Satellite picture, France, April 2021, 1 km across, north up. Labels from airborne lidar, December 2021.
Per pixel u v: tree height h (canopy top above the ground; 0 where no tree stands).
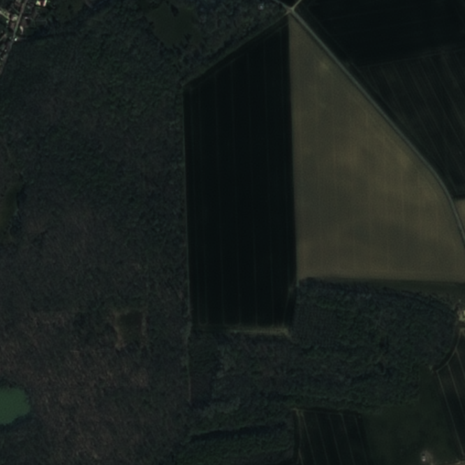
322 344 23
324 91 0
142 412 25
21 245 20
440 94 0
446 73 0
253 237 0
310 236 0
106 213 23
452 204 0
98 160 20
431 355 23
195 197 0
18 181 6
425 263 0
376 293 19
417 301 19
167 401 28
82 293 24
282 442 23
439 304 11
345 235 0
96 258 25
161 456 25
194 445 24
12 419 0
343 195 0
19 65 16
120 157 23
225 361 25
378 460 0
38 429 22
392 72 0
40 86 16
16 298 25
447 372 0
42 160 20
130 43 19
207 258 0
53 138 26
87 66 15
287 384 25
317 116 0
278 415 24
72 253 26
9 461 22
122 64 25
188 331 28
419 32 0
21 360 21
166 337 23
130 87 26
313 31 0
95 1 0
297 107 0
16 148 22
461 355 0
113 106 24
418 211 0
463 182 0
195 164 0
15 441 24
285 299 0
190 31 0
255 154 0
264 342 20
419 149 0
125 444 24
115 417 23
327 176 0
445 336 21
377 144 0
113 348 27
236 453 20
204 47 17
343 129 0
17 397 0
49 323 22
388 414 0
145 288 24
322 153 0
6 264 27
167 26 0
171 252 23
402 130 0
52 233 20
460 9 0
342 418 0
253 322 0
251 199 0
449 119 0
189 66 25
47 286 26
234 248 0
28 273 25
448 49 0
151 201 21
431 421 0
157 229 22
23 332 25
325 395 23
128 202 23
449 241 0
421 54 0
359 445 0
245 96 0
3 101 21
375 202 0
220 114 0
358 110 0
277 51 0
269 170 0
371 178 0
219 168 0
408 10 0
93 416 24
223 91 0
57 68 26
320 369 17
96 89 26
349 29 0
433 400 0
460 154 0
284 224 0
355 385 21
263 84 0
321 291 20
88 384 22
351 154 0
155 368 25
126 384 22
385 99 0
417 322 25
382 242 0
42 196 21
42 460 21
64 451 24
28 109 16
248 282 0
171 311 25
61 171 19
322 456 0
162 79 23
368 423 0
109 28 24
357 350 23
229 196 0
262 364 22
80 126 25
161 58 29
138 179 23
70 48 27
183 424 24
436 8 0
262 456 12
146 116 26
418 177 0
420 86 0
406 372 21
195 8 19
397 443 0
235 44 21
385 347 15
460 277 0
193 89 0
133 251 25
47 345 26
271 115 0
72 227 23
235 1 27
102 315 23
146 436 7
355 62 0
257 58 0
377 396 24
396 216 0
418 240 0
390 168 0
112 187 23
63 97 16
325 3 0
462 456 0
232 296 0
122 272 28
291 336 22
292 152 0
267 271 0
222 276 0
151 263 25
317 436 0
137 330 0
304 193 0
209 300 0
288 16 0
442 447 0
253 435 24
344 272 0
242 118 0
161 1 11
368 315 28
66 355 22
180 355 23
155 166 22
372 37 0
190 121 0
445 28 0
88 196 24
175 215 21
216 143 0
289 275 0
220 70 0
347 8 0
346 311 23
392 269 0
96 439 22
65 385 23
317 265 0
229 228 0
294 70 0
